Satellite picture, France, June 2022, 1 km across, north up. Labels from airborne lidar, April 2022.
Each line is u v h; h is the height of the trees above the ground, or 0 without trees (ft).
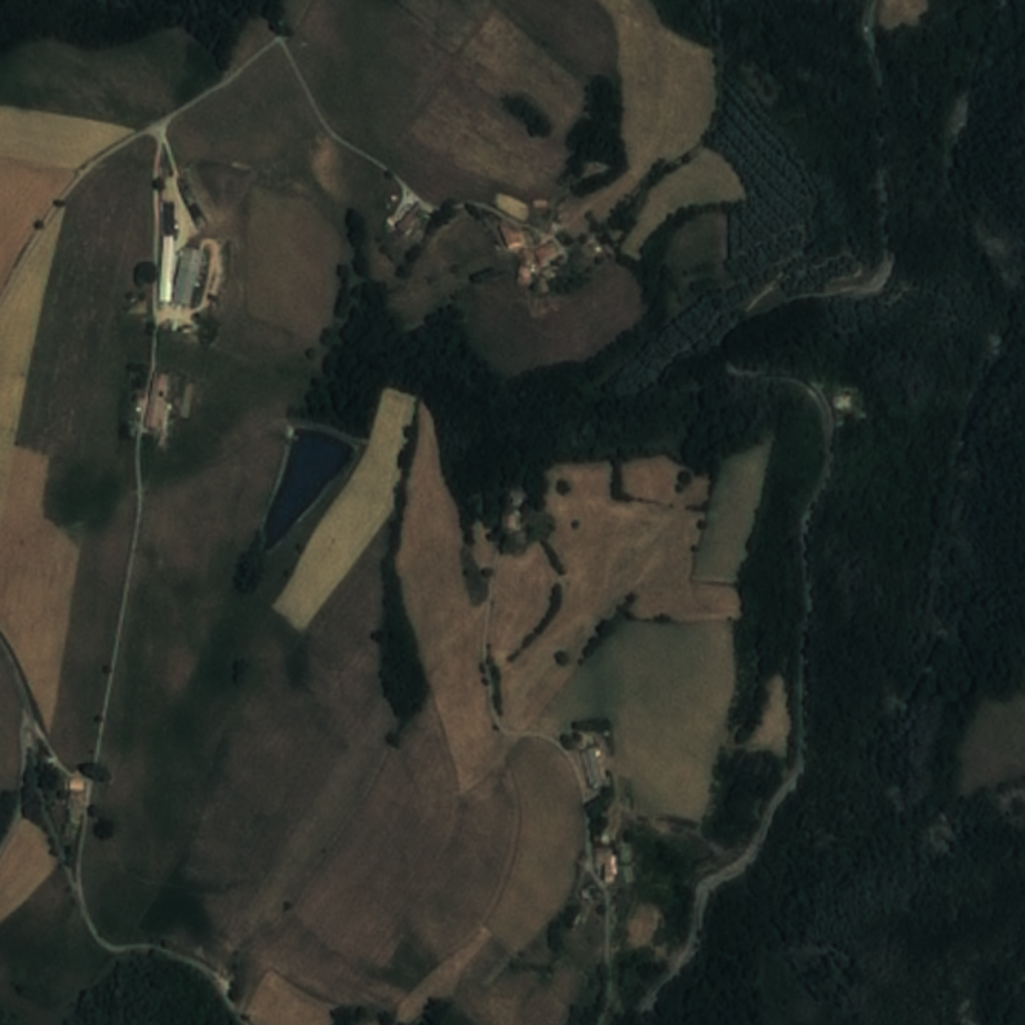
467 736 0
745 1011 46
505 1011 0
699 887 0
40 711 0
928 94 62
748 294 45
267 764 0
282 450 0
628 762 0
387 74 0
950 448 50
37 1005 0
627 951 0
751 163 40
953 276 35
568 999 0
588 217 22
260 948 0
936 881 52
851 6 49
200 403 0
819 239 28
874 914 54
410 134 0
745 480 0
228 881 0
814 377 44
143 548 0
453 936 0
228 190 0
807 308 66
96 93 0
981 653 45
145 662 0
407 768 0
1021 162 50
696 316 55
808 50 65
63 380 0
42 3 39
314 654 0
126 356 0
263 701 0
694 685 0
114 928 0
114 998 31
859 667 69
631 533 0
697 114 0
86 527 0
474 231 0
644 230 0
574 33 0
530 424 34
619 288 0
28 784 41
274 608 0
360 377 72
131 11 43
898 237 59
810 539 41
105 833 44
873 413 20
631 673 0
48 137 0
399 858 0
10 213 0
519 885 0
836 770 42
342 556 0
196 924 0
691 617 0
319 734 0
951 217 69
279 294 0
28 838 0
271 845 0
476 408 52
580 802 0
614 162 32
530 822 0
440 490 0
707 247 0
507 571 0
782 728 0
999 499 51
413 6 0
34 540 0
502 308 0
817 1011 0
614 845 27
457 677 0
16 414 0
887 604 52
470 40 0
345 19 0
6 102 0
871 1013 36
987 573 32
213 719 0
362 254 36
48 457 0
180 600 0
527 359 0
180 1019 42
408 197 0
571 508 0
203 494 0
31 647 0
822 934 44
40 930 0
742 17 67
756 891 38
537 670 0
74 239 0
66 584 0
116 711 0
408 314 0
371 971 0
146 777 0
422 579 0
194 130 0
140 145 0
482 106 0
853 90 62
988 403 38
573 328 0
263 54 0
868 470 18
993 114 44
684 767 0
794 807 47
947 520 66
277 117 0
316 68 0
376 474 0
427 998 0
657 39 0
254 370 0
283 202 0
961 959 35
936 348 20
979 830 52
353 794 0
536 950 0
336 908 0
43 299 0
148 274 47
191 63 0
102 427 0
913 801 52
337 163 0
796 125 33
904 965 52
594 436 56
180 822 0
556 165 0
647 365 57
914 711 49
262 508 0
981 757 0
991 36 50
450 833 0
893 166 48
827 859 54
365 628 0
